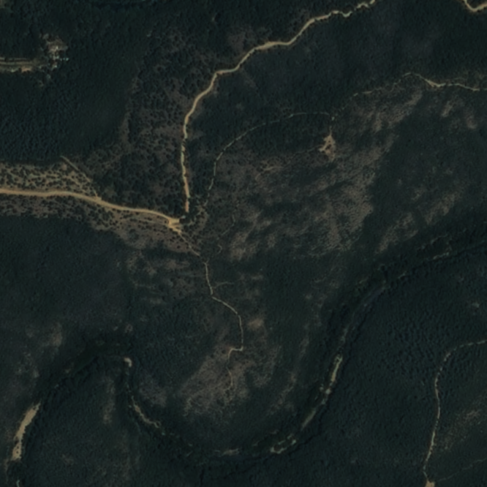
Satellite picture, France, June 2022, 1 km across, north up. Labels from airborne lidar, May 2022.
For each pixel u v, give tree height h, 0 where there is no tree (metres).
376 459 7
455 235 12
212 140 7
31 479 11
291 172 6
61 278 9
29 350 7
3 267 13
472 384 7
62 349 7
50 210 9
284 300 8
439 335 14
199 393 0
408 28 11
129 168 8
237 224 6
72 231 6
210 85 0
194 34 13
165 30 12
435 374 10
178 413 6
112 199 11
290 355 7
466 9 6
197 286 6
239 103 6
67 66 16
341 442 8
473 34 10
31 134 16
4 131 19
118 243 8
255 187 6
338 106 6
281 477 17
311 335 9
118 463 8
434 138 12
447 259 5
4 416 8
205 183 9
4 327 6
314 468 7
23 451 7
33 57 12
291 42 0
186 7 14
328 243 7
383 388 8
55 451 6
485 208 7
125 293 6
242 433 8
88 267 6
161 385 7
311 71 7
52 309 8
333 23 7
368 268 12
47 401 13
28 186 7
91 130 6
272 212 9
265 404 9
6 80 17
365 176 7
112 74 6
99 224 10
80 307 6
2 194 8
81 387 13
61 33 13
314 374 12
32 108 16
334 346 29
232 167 0
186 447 7
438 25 9
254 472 8
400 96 6
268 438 11
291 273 12
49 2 9
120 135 12
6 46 17
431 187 7
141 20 17
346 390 10
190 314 6
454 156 8
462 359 6
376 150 0
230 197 6
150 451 16
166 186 10
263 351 6
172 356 7
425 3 10
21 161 6
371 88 9
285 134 10
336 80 10
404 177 6
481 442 8
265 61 8
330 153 0
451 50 13
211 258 7
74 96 8
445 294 11
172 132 0
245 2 17
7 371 8
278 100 7
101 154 10
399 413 10
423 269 27
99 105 6
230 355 0
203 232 6
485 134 14
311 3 10
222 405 7
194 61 7
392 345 15
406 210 8
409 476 6
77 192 7
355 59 8
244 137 6
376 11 7
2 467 6
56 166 8
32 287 6
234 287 10
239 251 0
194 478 16
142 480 9
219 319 0
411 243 8
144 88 7
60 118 6
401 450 6
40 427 18
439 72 12
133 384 10
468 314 7
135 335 11
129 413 13
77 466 6
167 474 11
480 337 9
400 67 11
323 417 17
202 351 8
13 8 12
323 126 9
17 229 6
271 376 9
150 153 11
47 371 14
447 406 7
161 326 8
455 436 6
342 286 8
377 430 7
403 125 10
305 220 8
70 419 9
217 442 7
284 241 8
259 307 7
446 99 6
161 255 8
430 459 6
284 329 6
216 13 10
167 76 11
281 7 14
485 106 7
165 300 10
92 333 13
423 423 5
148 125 7
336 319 34
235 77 6
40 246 6
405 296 16
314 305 8
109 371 8
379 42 10
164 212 7
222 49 16
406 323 8
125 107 12
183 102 0
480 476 8
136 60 6
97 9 23
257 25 11
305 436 10
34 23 13
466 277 7
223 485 28
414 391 7
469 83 9
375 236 9
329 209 0
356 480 9
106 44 11
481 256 16
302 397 14
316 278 8
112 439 6
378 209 6
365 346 8
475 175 8
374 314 10
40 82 6
